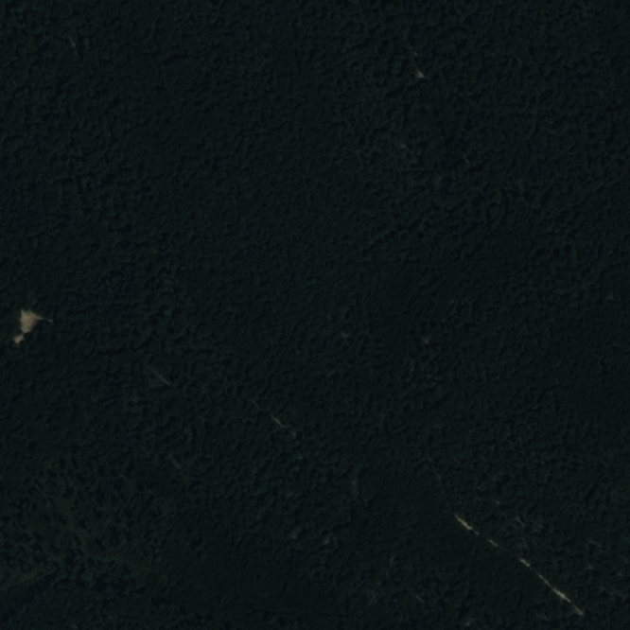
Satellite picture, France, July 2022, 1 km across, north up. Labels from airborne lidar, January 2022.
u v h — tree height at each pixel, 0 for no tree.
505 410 20
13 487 24
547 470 21
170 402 11
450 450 23
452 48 25
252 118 20
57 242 29
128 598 35
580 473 23
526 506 24
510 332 21
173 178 21
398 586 30
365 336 22
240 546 13
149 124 20
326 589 28
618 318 19
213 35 25
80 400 21
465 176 28
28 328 0
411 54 27
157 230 26
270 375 20
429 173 22
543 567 22
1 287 30
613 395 19
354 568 22
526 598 29
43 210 23
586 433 28
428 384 25
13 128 26
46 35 25
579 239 26
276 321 17
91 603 27
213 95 25
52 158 27
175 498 29
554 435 21
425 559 27
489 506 20
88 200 31
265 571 11
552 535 23
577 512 21
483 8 18
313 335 16
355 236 18
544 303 18
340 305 21
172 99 23
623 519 17
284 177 13
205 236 14
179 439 19
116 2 19
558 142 18
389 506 21
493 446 19
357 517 26
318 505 28
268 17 22
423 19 32
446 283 19
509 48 26
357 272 18
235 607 9
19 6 25
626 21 17
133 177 25
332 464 23
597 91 21
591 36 25
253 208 15
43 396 23
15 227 23
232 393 29
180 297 29
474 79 26
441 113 28
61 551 27
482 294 18
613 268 24
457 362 16
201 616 9
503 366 20
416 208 25
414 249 21
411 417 23
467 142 30
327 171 16
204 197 20
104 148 25
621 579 27
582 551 24
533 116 24
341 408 21
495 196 34
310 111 20
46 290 25
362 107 21
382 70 14
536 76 20
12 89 27
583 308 21
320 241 18
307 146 20
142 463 25
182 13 20
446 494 21
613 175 23
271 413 26
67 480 32
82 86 21
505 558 20
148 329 29
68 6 24
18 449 17
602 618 26
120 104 24
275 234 18
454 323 24
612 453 12
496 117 23
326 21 24
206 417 26
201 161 21
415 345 7
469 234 25
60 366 20
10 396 17
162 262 27
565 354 22
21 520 29
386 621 31
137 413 21
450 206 24
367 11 21
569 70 25
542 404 19
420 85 22
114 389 28
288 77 22
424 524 26
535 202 30
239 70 24
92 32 27
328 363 20
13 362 18
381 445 18
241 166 19
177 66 21
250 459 26
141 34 16
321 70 14
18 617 24
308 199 11
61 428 34
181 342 29
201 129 22
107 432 17
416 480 20
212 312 22
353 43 26
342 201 18
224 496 12
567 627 25
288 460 23
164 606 32
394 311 20
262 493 27
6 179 21
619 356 23
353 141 22
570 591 20
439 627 25
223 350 24
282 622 8
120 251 28
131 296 29
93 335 27
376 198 20
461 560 23
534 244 22
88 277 26
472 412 17
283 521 26
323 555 27
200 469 24
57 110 24
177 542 15
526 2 19
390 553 25
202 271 20
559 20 24
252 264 16
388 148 22
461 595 24
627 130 24
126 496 27
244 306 17
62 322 25
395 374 21
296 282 16
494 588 22
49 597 24
